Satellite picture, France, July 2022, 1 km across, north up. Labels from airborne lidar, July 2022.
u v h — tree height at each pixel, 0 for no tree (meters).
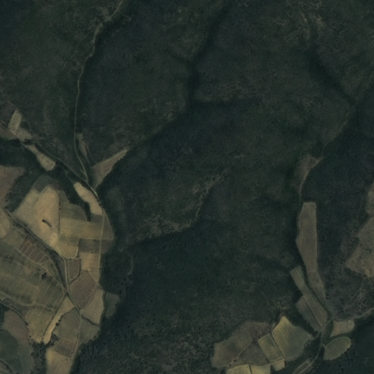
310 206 0
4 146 6
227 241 0
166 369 0
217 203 0
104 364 10
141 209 0
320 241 6
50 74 0
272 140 0
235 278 5
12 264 0
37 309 0
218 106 5
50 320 0
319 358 6
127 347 9
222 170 7
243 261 5
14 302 0
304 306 0
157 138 7
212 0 8
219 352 0
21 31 0
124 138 0
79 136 0
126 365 9
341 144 6
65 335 0
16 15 0
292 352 0
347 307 0
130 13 6
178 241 6
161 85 0
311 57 6
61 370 0
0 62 0
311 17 0
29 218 0
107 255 6
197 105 8
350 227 0
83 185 11
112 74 0
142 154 0
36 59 0
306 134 6
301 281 0
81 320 0
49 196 0
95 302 0
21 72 0
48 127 0
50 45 0
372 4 7
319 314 0
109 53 0
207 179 6
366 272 0
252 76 0
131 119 0
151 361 9
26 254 0
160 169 6
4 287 0
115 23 6
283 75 0
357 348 0
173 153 5
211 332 8
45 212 0
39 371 10
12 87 0
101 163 0
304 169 0
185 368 11
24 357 0
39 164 9
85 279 0
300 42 6
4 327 0
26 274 0
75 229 0
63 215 0
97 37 6
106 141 0
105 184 6
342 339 0
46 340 0
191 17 7
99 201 6
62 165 12
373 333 0
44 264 0
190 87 9
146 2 6
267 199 6
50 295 0
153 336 11
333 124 0
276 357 0
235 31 0
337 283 0
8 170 0
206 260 5
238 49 0
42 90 0
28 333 0
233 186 0
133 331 10
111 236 0
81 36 0
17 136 0
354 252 0
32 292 0
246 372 0
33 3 0
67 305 0
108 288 7
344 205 0
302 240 0
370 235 0
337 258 0
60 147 0
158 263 6
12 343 0
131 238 0
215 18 6
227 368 0
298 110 5
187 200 5
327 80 9
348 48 0
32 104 0
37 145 8
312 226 0
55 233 0
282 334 0
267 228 6
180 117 7
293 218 7
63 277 0
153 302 7
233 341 0
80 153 9
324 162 6
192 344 9
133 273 6
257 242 0
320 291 0
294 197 5
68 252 0
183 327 7
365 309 10
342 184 0
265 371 0
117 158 0
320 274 0
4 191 0
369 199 0
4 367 0
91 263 0
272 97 0
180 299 0
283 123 6
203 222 8
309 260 0
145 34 0
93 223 0
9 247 0
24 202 0
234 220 0
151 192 0
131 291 6
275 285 6
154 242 6
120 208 0
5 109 0
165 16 0
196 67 6
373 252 0
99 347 10
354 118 7
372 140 6
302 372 0
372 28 6
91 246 0
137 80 0
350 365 8
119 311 6
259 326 0
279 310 7
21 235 0
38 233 0
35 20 0
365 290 0
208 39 6
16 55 0
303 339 0
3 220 0
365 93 6
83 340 0
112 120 0
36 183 0
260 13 0
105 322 10
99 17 6
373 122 5
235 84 0
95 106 0
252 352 0
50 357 0
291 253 6
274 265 5
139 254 7
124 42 0
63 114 0
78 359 6
